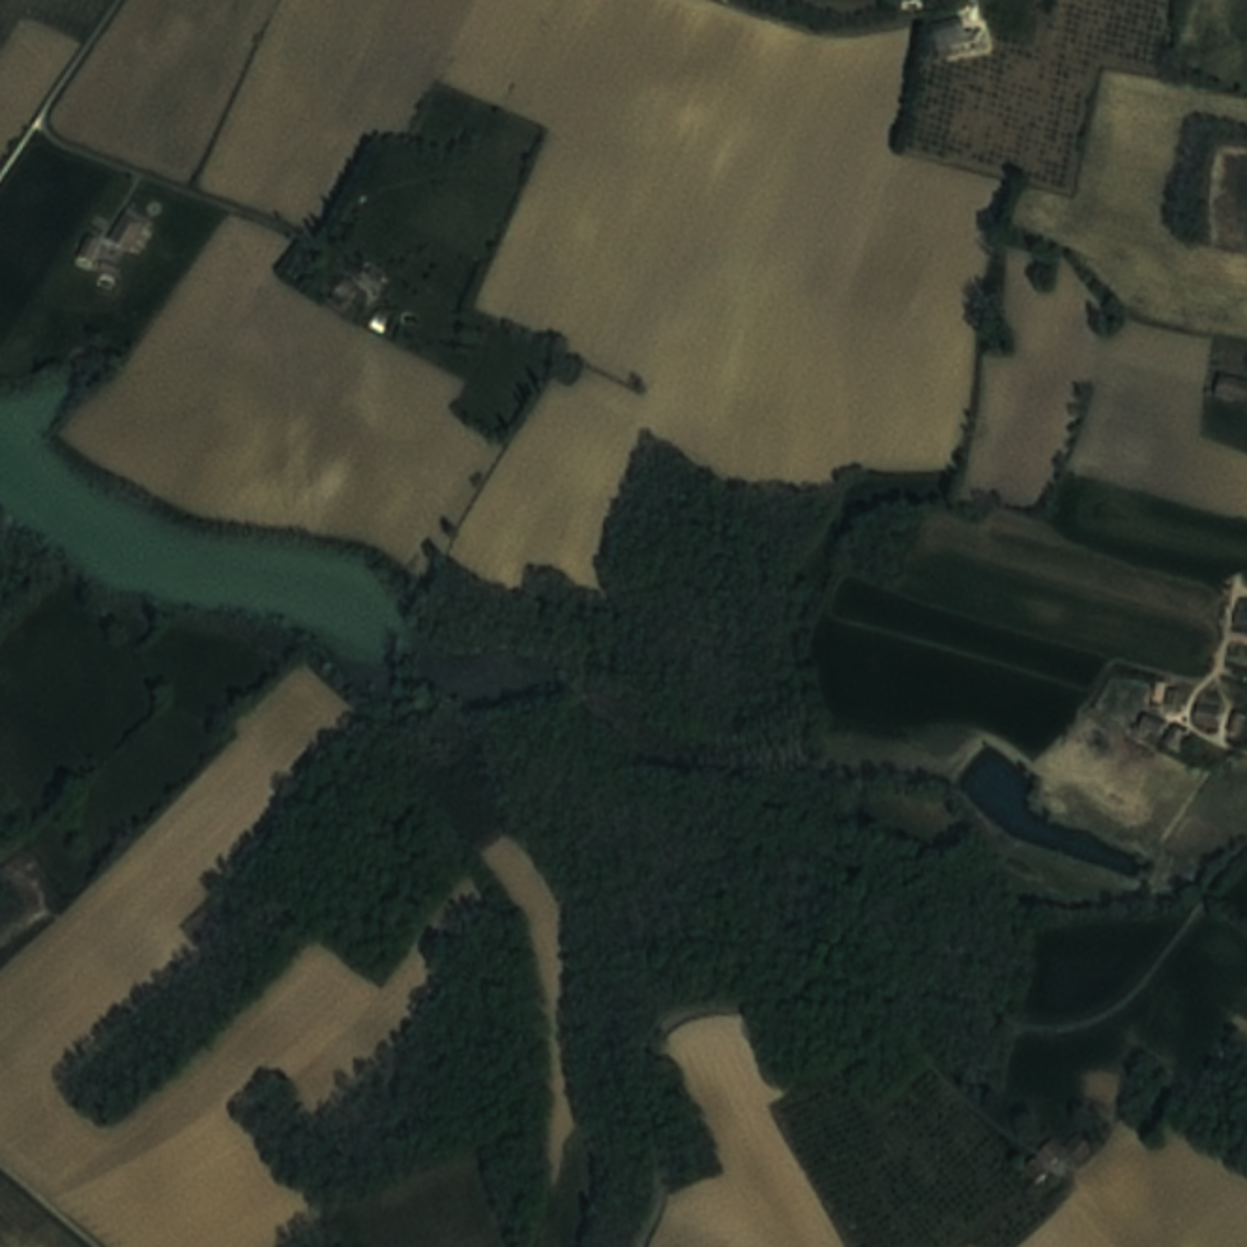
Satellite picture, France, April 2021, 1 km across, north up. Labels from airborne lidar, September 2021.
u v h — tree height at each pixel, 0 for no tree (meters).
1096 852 0
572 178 0
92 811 0
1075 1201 0
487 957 28
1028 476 0
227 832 0
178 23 0
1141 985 0
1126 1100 18
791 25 12
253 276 0
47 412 0
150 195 0
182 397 0
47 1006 0
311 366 0
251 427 0
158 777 0
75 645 0
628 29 0
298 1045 0
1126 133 0
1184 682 0
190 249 0
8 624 23
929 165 0
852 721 0
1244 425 0
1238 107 0
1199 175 15
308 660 13
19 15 0
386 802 24
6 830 17
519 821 19
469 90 0
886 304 0
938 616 0
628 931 18
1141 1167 0
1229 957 0
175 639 0
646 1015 17
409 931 20
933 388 0
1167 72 20
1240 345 0
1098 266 0
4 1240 0
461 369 0
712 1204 0
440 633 18
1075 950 0
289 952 18
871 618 0
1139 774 0
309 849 26
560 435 0
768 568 22
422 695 21
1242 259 0
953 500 24
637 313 0
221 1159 0
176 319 0
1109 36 6
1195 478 0
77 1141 0
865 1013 27
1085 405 13
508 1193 18
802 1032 22
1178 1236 0
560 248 0
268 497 0
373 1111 13
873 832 23
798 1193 0
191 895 0
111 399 0
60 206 0
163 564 0
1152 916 13
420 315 0
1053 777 0
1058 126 6
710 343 0
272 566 0
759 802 24
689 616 23
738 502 21
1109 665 0
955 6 12
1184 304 0
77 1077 19
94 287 0
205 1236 0
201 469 0
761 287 0
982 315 28
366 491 0
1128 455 0
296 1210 0
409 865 24
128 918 0
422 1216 9
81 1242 0
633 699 26
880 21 15
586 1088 20
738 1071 0
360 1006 0
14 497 0
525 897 0
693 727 26
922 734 0
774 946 18
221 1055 0
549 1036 15
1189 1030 0
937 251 0
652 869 21
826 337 0
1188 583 0
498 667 0
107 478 13
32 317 0
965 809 18
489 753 20
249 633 10
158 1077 19
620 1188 20
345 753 22
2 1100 0
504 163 0
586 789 18
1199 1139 17
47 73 0
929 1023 21
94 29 0
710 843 21
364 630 0
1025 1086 0
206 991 18
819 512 21
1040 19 0
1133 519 0
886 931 22
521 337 13
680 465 19
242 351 0
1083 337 0
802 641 17
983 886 24
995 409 0
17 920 20
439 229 0
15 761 0
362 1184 18
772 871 21
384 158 0
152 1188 0
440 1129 24
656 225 0
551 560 0
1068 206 0
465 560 0
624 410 0
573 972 19
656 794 24
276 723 0
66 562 12
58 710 0
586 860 22
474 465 0
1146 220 0
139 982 0
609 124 0
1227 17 0
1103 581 0
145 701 0
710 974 20
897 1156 0
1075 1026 0
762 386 0
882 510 15
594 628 22
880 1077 19
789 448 0
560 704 20
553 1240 0
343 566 0
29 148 0
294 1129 6
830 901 25
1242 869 15
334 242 6
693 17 0
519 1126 23
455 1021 27
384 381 0
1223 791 0
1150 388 0
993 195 0
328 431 0
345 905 29
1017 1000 15
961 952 22
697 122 0
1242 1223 0
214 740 12
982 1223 0
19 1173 0
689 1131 20
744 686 20
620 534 18
